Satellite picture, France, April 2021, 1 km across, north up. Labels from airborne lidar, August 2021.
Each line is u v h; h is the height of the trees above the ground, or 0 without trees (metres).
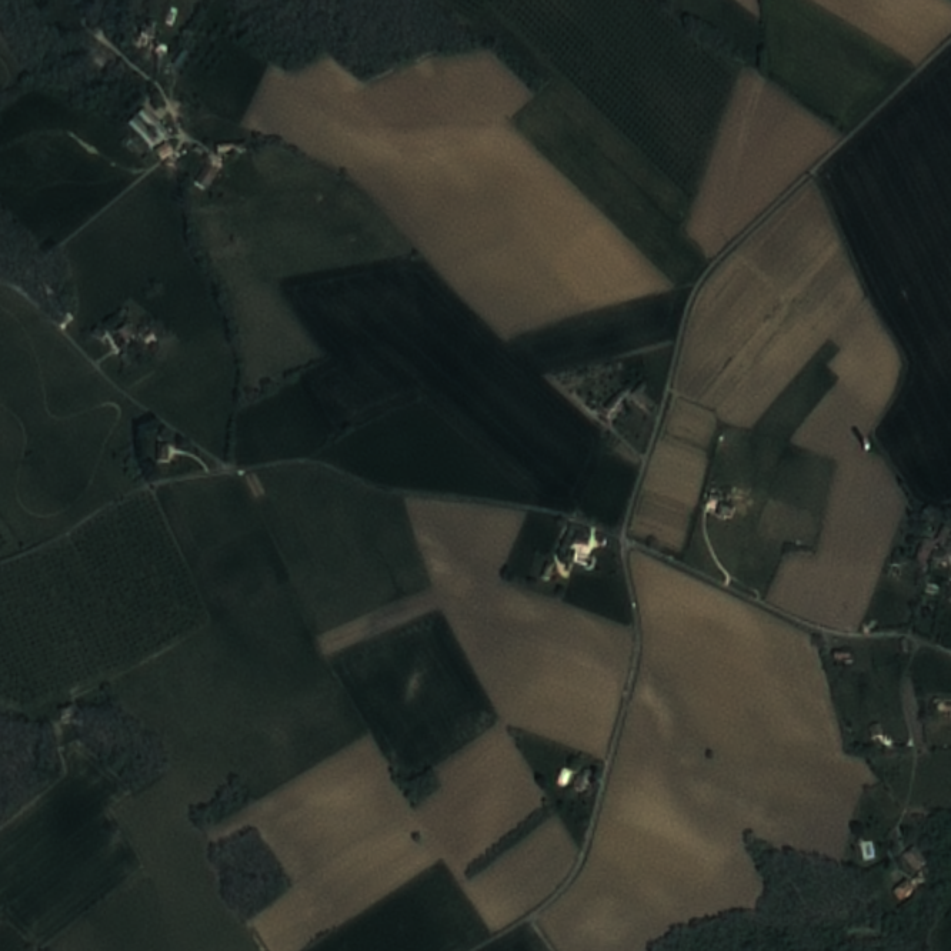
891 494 0
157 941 0
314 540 0
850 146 0
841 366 0
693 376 0
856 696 0
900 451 0
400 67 14
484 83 0
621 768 0
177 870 0
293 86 0
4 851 0
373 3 19
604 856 0
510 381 0
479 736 0
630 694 0
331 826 0
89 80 23
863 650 0
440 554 0
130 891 0
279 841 0
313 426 0
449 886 0
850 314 0
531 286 0
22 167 0
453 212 0
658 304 0
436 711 0
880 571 0
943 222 0
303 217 0
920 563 13
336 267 0
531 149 0
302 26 11
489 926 0
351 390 0
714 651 0
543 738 0
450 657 0
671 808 0
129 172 0
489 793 0
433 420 0
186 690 0
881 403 0
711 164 0
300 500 0
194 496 0
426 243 0
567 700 0
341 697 0
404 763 0
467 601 0
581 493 0
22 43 20
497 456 0
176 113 0
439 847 0
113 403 0
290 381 10
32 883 0
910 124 0
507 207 0
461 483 0
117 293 0
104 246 0
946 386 0
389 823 0
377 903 0
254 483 0
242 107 0
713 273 0
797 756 0
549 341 0
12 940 0
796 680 0
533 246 0
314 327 0
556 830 0
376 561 0
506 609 0
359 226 0
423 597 0
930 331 0
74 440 0
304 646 0
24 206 0
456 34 16
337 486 0
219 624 0
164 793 0
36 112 0
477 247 0
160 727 0
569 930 0
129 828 0
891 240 0
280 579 0
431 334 0
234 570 0
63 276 18
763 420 0
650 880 0
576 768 13
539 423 0
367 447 0
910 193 0
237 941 0
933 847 15
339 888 0
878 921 18
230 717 0
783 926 13
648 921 0
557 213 0
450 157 0
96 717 18
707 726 0
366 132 0
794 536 0
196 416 0
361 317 0
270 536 0
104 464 0
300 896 0
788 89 9
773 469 0
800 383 0
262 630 0
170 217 0
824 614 0
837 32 0
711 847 0
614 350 0
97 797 0
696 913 0
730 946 28
